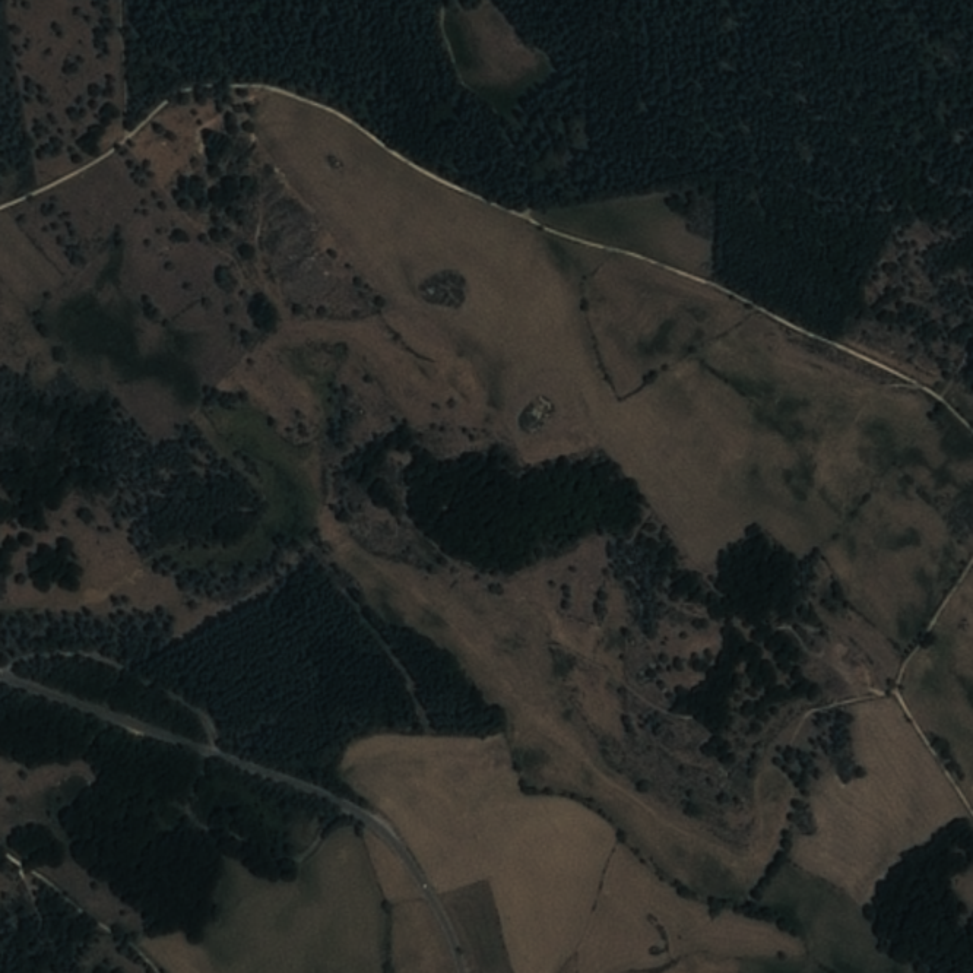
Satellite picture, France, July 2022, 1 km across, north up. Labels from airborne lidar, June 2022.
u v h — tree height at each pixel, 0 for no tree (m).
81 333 0
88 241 0
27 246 0
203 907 24
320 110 0
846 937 0
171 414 0
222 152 14
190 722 15
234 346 0
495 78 0
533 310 0
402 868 0
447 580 0
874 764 0
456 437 0
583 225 0
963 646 0
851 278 14
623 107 19
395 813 0
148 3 10
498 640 0
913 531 0
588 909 0
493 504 18
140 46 11
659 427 0
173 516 18
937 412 10
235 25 22
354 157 0
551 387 0
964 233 6
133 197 0
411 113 26
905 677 0
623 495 11
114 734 12
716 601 10
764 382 0
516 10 21
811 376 0
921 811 0
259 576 11
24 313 0
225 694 24
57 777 0
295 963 0
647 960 0
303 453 0
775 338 0
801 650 8
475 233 0
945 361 13
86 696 17
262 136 0
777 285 21
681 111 20
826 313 18
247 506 16
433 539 15
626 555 11
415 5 21
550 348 0
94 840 13
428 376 0
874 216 18
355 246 0
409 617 0
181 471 16
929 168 19
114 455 15
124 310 0
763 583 17
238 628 27
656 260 0
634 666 0
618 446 0
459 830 0
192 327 0
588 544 0
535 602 0
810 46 17
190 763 18
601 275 0
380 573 0
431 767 0
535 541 20
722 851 0
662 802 0
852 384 0
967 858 8
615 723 0
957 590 0
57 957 14
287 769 15
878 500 0
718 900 11
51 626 8
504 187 25
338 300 0
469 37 0
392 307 0
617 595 0
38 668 16
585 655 0
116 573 0
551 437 0
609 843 0
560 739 0
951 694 0
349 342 0
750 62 23
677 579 9
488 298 0
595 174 15
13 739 15
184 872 22
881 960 0
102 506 0
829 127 21
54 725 19
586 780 0
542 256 0
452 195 0
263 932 0
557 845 0
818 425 0
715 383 0
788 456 0
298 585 13
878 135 17
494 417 0
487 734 14
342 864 0
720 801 15
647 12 19
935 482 0
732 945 0
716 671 13
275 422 14
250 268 0
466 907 0
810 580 15
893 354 0
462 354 0
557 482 16
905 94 18
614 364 0
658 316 0
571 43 22
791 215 11
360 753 0
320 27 28
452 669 21
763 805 0
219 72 19
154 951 0
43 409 13
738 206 18
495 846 0
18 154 14
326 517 0
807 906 0
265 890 0
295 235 0
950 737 0
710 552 0
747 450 0
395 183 0
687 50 21
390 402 0
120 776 18
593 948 0
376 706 21
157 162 0
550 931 0
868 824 0
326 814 8
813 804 0
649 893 0
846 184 17
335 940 0
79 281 0
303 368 0
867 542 0
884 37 21
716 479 0
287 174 0
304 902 0
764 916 13
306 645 23
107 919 0
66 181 0
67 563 10
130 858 23
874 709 0
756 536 6
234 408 6
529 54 0
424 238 0
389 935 0
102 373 0
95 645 17
